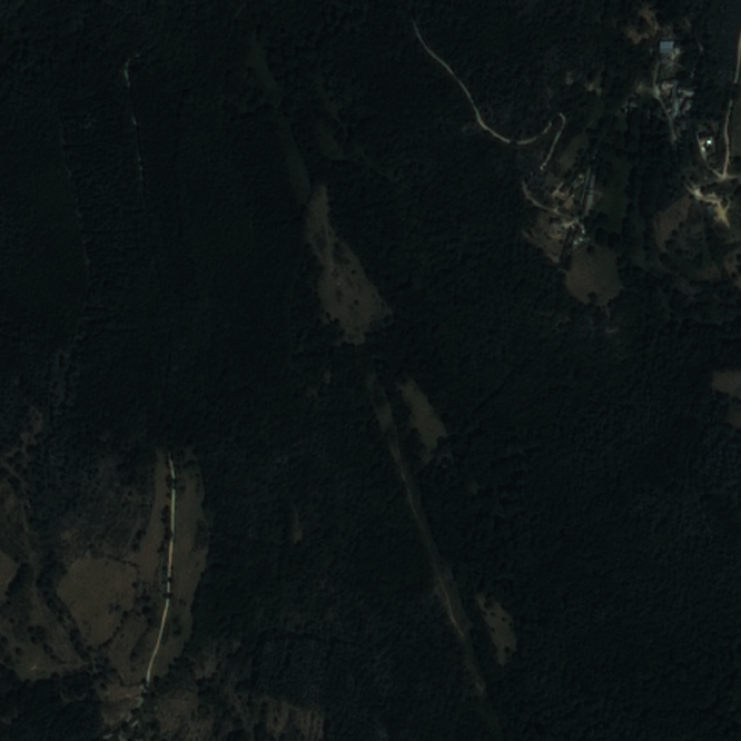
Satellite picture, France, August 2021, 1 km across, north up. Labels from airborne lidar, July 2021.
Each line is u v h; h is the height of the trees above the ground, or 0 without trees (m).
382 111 17
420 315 30
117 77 19
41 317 11
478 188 8
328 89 17
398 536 23
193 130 19
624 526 19
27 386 11
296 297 16
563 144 6
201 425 13
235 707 8
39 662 0
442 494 26
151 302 13
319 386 10
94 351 12
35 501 10
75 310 16
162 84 12
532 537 11
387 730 19
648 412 20
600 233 13
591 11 12
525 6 6
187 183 21
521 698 14
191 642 9
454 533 21
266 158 11
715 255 14
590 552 18
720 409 14
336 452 14
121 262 12
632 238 13
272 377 19
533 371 18
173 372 18
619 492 18
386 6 14
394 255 21
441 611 10
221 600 13
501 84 12
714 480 9
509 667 7
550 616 22
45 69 21
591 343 9
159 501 0
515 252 18
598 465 15
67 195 11
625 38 6
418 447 11
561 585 22
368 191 16
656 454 14
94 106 12
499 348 11
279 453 7
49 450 15
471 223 10
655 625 17
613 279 0
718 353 19
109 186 13
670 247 11
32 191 10
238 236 23
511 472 9
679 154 8
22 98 10
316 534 10
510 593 21
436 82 17
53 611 11
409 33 12
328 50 17
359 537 14
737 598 16
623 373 14
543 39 11
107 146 13
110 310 12
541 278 10
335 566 11
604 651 20
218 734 7
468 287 16
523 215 12
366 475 17
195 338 19
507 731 16
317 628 7
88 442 11
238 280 22
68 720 9
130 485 6
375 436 15
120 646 0
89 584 0
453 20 10
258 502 10
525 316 13
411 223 15
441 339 21
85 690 8
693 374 16
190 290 13
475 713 15
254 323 24
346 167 16
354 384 13
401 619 8
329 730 21
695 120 7
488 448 21
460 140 12
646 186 22
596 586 20
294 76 24
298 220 20
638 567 22
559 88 7
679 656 22
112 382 14
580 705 19
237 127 13
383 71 14
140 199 15
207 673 0
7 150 11
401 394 6
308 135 23
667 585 18
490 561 30
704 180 0
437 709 12
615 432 11
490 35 8
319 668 24
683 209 0
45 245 13
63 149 9
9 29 6
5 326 13
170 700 0
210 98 26
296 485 15
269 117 16
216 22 24
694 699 27
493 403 23
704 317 15
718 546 13
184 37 19
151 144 14
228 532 14
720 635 20
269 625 8
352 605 9
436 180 8
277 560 13
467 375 22
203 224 21
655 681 23
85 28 14
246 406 19
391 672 12
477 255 12
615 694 8
